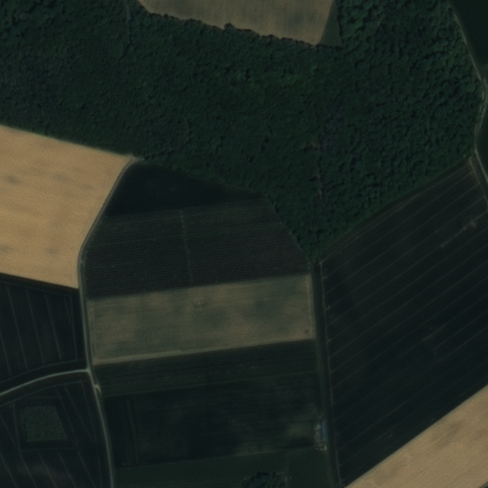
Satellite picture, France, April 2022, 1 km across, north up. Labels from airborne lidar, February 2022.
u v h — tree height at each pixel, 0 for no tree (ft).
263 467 0
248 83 82
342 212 66
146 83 60
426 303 0
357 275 0
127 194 0
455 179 0
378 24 109
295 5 0
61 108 69
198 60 52
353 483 0
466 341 0
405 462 0
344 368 0
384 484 0
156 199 0
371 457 0
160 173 0
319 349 0
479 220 0
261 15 0
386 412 0
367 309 0
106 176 0
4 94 72
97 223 0
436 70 79
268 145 96
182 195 0
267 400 0
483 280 0
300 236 62
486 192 0
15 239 0
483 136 0
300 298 0
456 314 0
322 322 0
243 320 0
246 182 65
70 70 72
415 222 0
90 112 62
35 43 71
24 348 0
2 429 0
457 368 0
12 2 83
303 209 71
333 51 56
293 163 79
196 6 0
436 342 0
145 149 52
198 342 0
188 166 69
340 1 63
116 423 0
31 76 74
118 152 48
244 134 104
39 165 0
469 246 0
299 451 0
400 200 0
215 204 0
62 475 0
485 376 0
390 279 0
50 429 25
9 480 0
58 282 0
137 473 0
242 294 0
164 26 62
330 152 52
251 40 54
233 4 0
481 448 0
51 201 0
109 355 0
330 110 63
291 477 0
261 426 0
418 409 0
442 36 89
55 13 89
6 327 0
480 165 0
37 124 54
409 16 81
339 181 80
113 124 58
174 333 0
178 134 73
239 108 89
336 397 0
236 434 0
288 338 0
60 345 0
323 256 0
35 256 0
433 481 0
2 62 71
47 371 0
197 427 0
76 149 0
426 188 0
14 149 0
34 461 0
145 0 0
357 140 67
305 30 0
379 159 74
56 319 0
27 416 24
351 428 0
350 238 0
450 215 0
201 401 0
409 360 0
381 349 0
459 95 80
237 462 0
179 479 0
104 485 0
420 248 0
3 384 0
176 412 0
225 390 0
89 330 0
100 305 0
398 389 0
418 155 62
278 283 0
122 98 70
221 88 64
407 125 81
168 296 0
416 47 84
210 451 0
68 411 0
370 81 20
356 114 66
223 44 71
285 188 76
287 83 70
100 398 0
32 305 0
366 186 65
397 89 72
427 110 74
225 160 84
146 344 0
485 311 0
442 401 0
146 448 0
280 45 64
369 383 0
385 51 94
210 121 85
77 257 0
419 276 0
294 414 0
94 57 71
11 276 0
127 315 0
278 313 0
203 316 0
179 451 0
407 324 0
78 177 0
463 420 0
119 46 72
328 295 0
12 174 0
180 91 82
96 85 80
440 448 0
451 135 88
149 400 0
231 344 0
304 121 73
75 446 0
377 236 0
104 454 0
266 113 96
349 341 0
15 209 0
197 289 0
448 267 0
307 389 0
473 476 0
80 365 0
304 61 70
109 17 48
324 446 0
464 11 0
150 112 73
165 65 57
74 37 64
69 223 0
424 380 0
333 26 0
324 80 88
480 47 0
